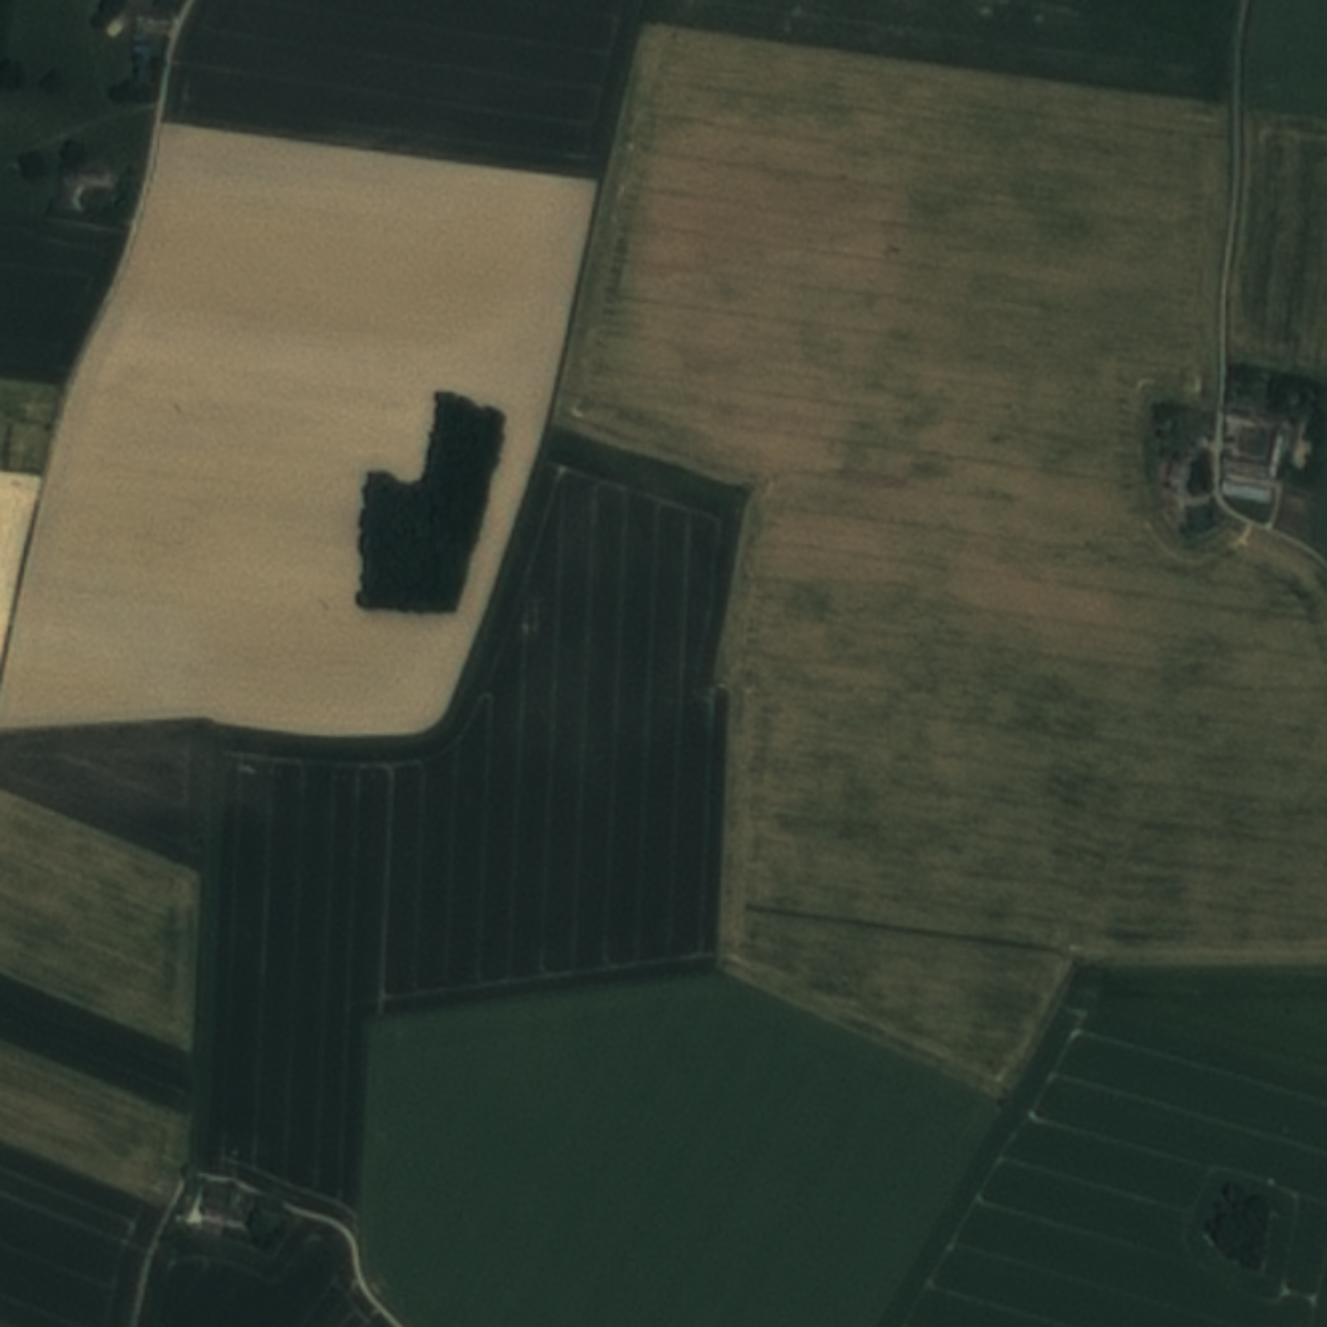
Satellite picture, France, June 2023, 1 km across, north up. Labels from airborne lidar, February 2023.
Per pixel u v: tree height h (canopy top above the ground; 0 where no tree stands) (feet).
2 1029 0
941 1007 0
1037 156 0
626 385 0
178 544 0
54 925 0
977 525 0
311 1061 0
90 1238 0
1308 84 0
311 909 0
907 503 0
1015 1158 0
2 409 0
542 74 0
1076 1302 0
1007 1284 0
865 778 0
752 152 0
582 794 0
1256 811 0
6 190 0
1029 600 0
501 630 0
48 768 0
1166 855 0
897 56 0
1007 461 0
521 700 0
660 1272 0
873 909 0
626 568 0
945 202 0
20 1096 0
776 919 0
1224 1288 0
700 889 0
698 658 0
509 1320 0
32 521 0
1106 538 0
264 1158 0
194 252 0
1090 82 0
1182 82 0
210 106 0
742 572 0
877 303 0
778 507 0
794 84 0
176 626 0
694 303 0
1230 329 0
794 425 0
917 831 0
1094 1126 0
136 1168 0
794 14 0
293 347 0
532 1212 0
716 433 0
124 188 20
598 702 0
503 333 0
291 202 0
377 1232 0
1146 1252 0
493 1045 0
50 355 0
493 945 0
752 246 0
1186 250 0
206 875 0
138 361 0
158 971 0
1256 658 0
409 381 0
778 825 0
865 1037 0
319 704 0
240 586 0
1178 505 0
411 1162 0
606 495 0
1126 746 0
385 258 0
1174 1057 0
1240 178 0
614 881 0
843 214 0
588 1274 0
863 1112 0
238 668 0
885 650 0
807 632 0
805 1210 0
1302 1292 0
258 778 0
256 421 0
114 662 0
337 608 0
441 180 0
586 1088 0
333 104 0
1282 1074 0
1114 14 0
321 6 0
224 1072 0
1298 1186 0
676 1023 0
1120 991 0
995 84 0
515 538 0
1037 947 0
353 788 0
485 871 0
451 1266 0
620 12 0
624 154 0
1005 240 0
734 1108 0
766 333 0
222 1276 0
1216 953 0
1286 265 0
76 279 0
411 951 0
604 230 0
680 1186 0
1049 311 0
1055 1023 0
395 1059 0
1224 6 0
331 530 0
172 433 0
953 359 0
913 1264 0
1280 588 0
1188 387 0
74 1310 0
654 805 0
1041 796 0
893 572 0
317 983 0
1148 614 0
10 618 0
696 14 0
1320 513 0
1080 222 0
